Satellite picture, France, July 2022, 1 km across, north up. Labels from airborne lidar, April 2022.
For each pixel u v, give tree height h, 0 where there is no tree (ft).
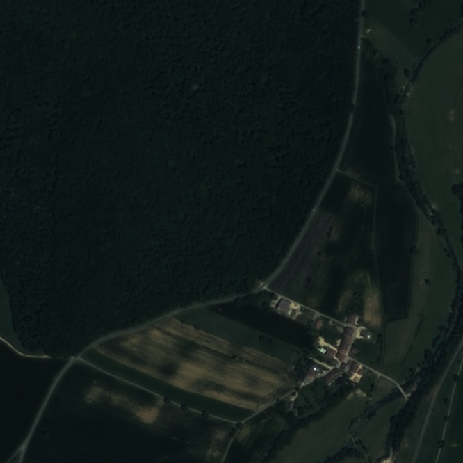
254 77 77
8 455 0
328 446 0
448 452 0
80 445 0
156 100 87
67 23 73
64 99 73
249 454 0
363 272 0
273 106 64
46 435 49
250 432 0
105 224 82
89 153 79
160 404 0
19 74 80
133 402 0
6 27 77
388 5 0
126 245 80
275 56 73
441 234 43
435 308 0
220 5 57
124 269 82
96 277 93
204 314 0
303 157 91
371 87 0
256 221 74
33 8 81
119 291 67
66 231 68
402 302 0
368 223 0
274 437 0
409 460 0
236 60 78
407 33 0
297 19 90
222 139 88
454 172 0
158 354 0
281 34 80
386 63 54
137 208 80
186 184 73
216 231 65
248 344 0
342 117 56
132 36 73
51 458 0
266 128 67
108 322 67
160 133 75
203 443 0
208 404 0
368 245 0
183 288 76
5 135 44
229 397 0
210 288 81
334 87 83
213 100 73
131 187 85
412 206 0
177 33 73
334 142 65
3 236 65
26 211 79
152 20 66
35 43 58
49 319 89
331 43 101
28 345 73
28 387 0
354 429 0
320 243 0
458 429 0
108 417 0
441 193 0
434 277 0
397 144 28
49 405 0
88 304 80
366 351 0
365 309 0
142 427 0
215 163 81
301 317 0
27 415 0
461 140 0
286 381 0
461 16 0
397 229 0
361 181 0
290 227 82
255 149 76
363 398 0
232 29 81
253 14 88
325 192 0
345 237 0
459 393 0
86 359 0
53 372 0
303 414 35
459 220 0
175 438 0
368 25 0
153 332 0
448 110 0
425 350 0
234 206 73
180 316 0
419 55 0
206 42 60
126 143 79
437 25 0
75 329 66
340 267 0
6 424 0
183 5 79
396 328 0
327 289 0
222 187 64
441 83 0
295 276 0
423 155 0
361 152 0
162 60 49
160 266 48
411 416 42
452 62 0
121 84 83
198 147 69
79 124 80
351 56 61
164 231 69
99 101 85
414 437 0
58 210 82
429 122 0
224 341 0
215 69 77
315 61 75
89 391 0
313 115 77
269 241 72
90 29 86
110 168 80
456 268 20
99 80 87
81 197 73
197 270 69
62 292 92
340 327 0
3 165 71
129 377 0
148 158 80
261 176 70
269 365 0
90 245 91
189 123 87
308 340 0
